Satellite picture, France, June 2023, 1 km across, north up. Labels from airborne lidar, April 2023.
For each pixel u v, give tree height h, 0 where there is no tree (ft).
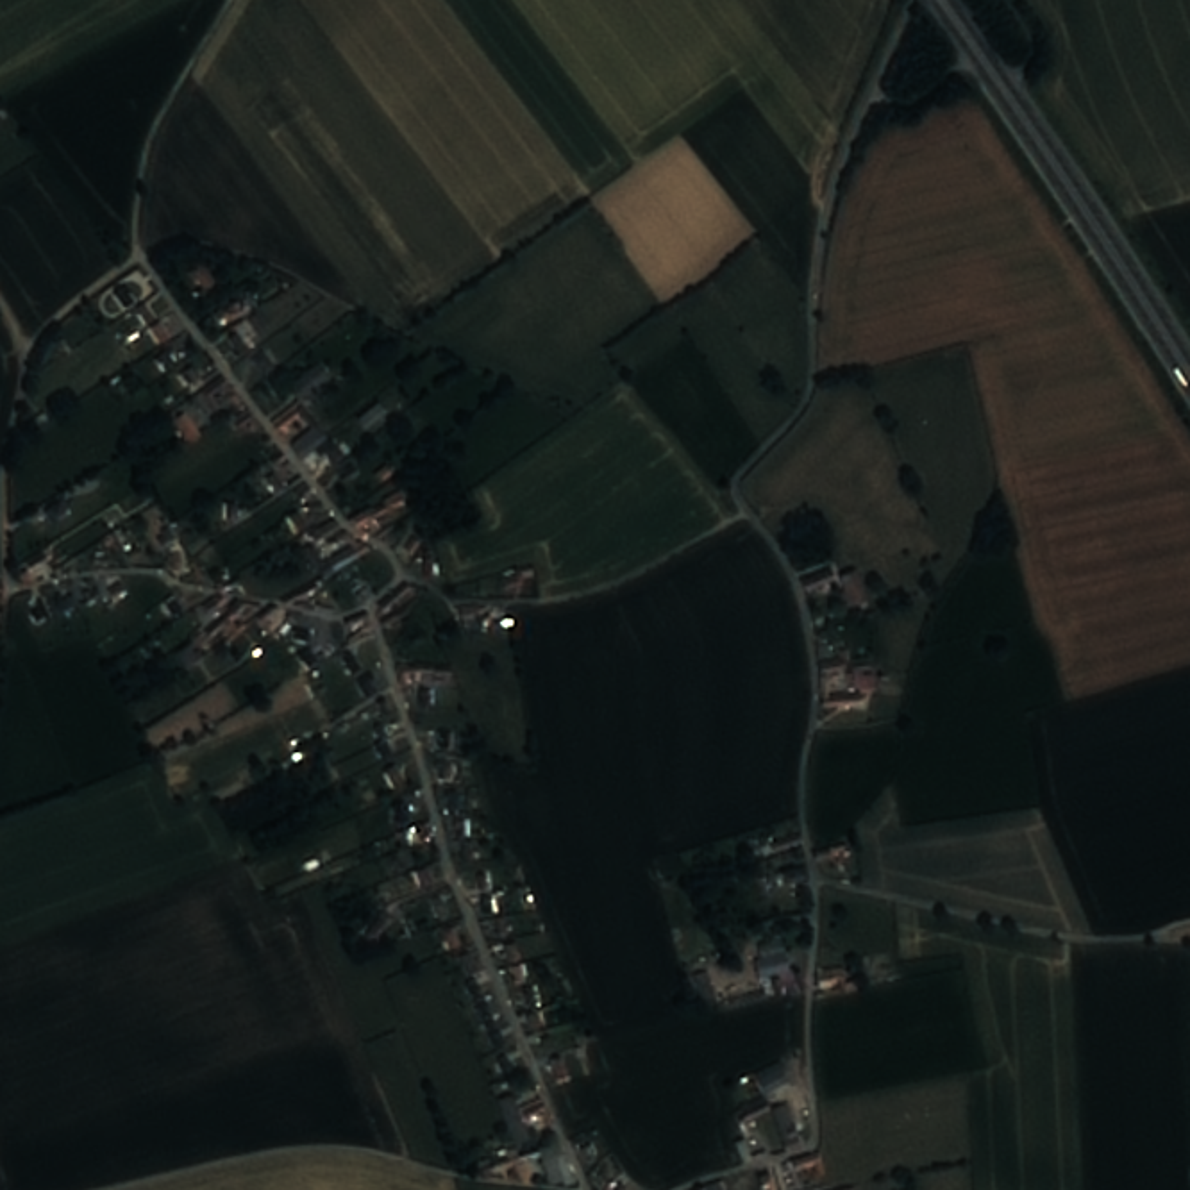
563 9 0
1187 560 0
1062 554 0
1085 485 0
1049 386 0
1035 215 0
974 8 47
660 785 0
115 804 0
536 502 0
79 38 0
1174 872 0
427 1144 0
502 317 0
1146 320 0
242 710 0
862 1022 0
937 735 0
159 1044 0
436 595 0
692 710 0
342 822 0
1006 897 0
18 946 0
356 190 0
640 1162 0
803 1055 0
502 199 0
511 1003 0
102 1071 0
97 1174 0
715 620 0
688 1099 0
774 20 0
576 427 0
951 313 0
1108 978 0
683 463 0
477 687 0
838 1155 0
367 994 0
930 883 0
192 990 0
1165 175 0
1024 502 0
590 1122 0
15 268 0
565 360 0
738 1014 0
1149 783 0
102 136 0
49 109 0
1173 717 0
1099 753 0
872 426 0
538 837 0
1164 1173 0
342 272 0
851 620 28
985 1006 0
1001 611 0
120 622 0
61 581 0
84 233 0
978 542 33
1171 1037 0
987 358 0
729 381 0
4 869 0
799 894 24
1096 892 0
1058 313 0
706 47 0
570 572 0
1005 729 0
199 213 0
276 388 28
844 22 0
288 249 0
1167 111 0
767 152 0
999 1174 0
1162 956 0
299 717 0
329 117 0
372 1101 0
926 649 27
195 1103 0
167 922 0
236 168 0
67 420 56
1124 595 0
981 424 0
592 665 0
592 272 0
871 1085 0
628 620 0
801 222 0
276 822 28
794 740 0
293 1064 0
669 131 0
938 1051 0
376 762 0
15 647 0
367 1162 0
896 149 0
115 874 0
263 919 0
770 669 0
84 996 0
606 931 0
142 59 0
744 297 0
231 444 0
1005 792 0
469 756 31
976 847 0
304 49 0
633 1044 0
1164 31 0
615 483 0
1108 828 0
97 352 0
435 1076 0
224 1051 0
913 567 0
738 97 0
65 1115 0
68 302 0
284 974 0
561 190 0
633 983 0
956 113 0
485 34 0
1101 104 0
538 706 0
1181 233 0
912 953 0
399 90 0
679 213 0
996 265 0
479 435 0
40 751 0
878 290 0
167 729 0
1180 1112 0
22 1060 0
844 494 0
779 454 0
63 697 0
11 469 58
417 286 0
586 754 0
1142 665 0
